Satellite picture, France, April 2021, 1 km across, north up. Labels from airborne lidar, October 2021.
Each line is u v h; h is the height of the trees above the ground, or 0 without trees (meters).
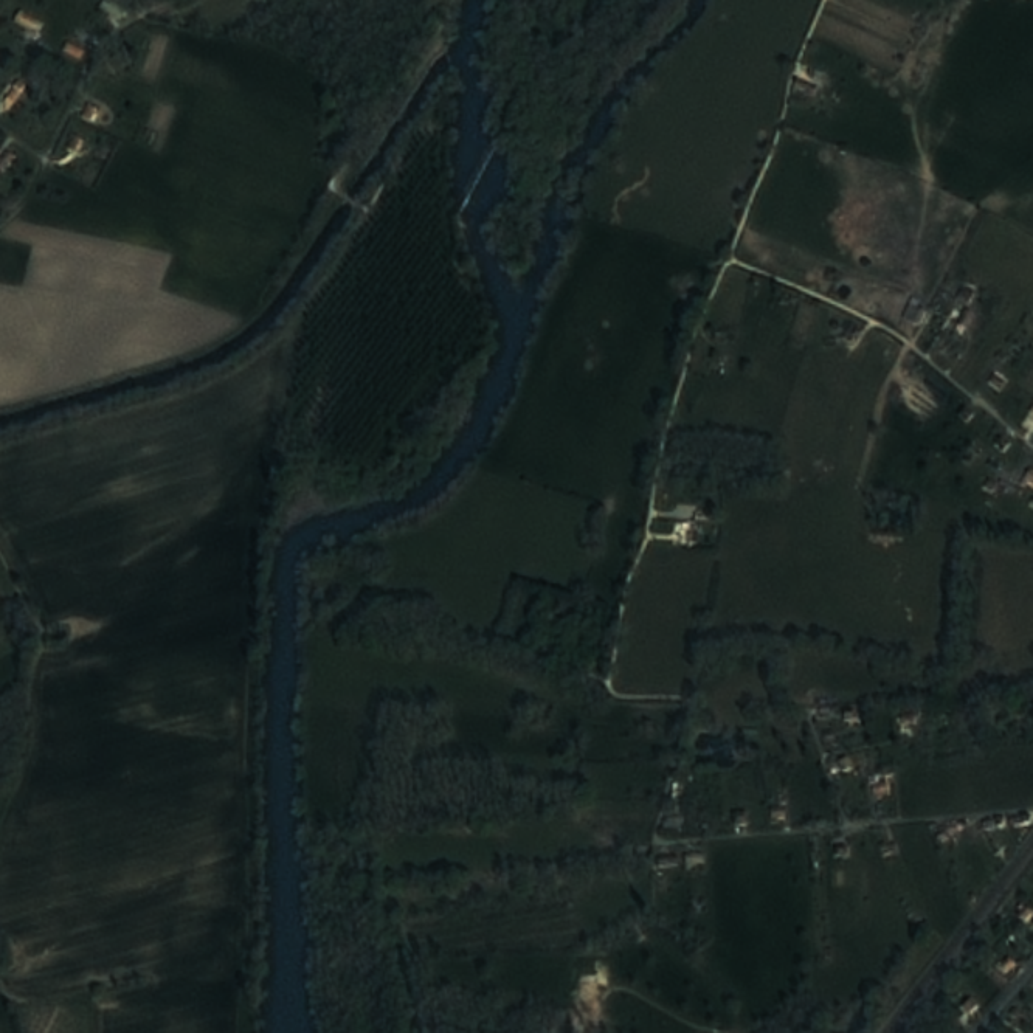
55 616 0
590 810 24
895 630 0
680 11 30
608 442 0
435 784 35
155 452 0
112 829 0
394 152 15
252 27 16
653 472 24
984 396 0
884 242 0
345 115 21
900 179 0
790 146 0
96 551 0
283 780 0
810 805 0
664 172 0
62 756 0
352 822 23
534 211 22
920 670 20
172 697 0
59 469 0
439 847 0
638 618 0
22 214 0
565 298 0
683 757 17
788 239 0
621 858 16
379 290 19
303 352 20
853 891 0
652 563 0
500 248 17
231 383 0
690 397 0
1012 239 0
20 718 12
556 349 0
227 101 0
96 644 0
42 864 0
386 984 30
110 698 0
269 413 0
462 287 18
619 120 10
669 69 0
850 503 0
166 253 0
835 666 0
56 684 0
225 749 0
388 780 32
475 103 0
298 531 0
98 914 0
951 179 0
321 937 24
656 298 0
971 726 19
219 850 0
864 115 0
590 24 19
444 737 36
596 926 0
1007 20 0
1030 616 0
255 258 0
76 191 0
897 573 0
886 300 0
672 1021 0
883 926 0
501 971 0
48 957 0
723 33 0
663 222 0
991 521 0
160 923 0
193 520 0
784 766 7
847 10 0
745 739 8
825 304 0
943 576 0
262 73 0
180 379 18
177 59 0
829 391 0
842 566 0
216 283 0
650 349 0
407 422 16
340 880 15
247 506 0
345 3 19
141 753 0
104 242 0
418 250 19
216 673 0
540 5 13
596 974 0
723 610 0
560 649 16
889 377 0
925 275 0
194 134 0
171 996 0
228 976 0
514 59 17
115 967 0
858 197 0
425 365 20
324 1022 27
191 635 0
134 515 0
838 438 0
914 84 6
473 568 0
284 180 0
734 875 0
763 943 0
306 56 15
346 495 9
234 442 0
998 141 0
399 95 18
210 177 0
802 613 0
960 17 0
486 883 0
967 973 6
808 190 0
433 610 23
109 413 17
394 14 17
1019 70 0
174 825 0
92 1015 0
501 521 0
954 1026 24
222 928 0
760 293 0
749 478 13
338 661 0
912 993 0
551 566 0
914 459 0
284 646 0
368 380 22
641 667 0
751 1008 0
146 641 0
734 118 0
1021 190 0
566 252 21
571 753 20
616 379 0
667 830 6
